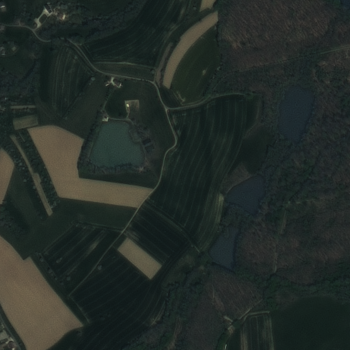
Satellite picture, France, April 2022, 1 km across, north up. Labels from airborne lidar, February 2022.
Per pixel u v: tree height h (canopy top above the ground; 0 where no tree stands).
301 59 17
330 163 29
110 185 0
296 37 0
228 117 0
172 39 0
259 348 0
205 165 0
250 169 0
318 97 20
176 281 0
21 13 8
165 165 0
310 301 0
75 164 0
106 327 0
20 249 0
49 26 0
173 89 0
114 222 0
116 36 0
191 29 0
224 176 0
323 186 31
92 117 0
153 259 0
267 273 15
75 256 0
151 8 0
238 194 0
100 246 0
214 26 0
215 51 0
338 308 0
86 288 0
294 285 14
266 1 25
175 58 0
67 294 0
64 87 0
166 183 0
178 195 0
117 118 0
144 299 0
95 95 0
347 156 32
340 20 22
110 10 0
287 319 0
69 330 0
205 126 0
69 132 0
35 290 0
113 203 0
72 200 0
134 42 0
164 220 0
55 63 0
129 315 0
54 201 6
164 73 9
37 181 0
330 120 27
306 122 0
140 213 0
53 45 8
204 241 0
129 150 0
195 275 19
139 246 0
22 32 0
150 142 0
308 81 17
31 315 0
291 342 0
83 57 0
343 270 9
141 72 0
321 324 0
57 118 0
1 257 0
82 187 0
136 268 0
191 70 0
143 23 0
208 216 0
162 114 0
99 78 0
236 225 0
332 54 0
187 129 0
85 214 0
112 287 0
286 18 22
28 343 0
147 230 0
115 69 0
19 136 8
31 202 0
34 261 0
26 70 0
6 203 8
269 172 22
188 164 0
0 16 0
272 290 20
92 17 14
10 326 0
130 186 0
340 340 0
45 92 0
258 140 0
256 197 0
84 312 0
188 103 0
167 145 0
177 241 0
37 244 0
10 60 0
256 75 17
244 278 18
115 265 0
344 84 0
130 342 0
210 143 0
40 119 0
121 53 0
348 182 13
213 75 0
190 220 0
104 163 0
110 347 0
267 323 0
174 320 27
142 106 0
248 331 0
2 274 0
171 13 0
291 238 15
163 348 22
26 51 0
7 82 23
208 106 0
